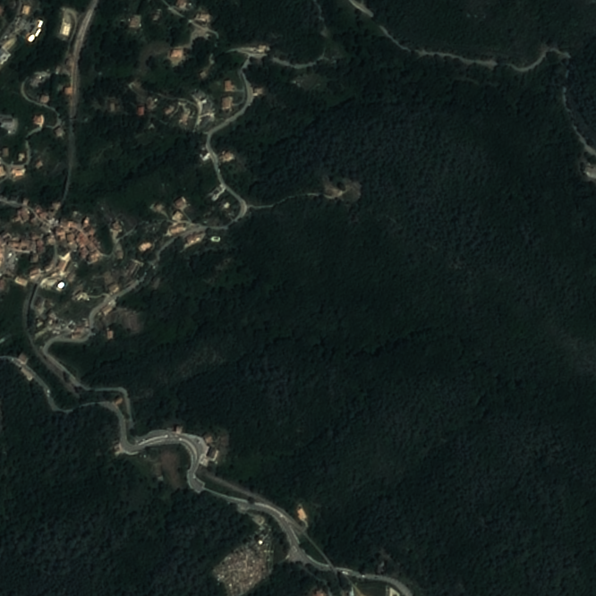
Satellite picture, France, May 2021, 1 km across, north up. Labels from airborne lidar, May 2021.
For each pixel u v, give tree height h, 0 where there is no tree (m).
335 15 28
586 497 20
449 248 19
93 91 11
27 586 13
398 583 0
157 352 9
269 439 11
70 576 13
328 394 17
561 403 20
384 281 16
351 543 19
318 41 14
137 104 13
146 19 6
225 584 8
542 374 22
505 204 24
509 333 14
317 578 7
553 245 18
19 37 10
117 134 12
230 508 16
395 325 23
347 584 17
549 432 26
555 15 9
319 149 24
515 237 18
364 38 21
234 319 14
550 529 20
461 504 18
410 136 25
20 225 0
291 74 9
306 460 17
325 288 13
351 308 22
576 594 14
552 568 18
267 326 15
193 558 24
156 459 0
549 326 6
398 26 12
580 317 13
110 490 13
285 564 9
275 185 14
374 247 16
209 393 13
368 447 8
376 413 21
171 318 17
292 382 25
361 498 21
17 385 8
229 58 18
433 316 23
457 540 20
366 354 24
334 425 16
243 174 6
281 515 0
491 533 21
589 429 18
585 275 10
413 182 23
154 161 12
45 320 9
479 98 20
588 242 19
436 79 17
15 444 13
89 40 12
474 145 7
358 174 22
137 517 19
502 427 24
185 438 0
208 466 7
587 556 14
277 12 14
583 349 6
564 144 16
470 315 20
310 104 10
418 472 16
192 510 25
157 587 18
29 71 18
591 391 23
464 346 16
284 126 12
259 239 16
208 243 11
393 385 23
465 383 26
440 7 11
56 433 12
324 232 13
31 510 15
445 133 23
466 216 22
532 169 15
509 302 9
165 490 17
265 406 18
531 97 16
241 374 11
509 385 28
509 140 14
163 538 12
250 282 10
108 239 0
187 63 17
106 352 7
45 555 25
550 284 10
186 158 13
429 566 9
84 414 7
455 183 17
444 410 21
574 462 17
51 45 15
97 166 6
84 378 15
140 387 7
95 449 11
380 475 6
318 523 10
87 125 9
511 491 21
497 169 18
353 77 12
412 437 15
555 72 21
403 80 23
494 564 19
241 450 9
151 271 9
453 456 15
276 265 12
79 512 17
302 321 18
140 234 9
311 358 19
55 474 9
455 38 10
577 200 23
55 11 14
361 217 20
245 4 11
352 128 23
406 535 19
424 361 17
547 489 21
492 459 16
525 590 10
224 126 0
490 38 10
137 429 9
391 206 5
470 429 20
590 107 16
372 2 17
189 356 6
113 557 14
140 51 12
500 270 13
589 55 18
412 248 7
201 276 20
